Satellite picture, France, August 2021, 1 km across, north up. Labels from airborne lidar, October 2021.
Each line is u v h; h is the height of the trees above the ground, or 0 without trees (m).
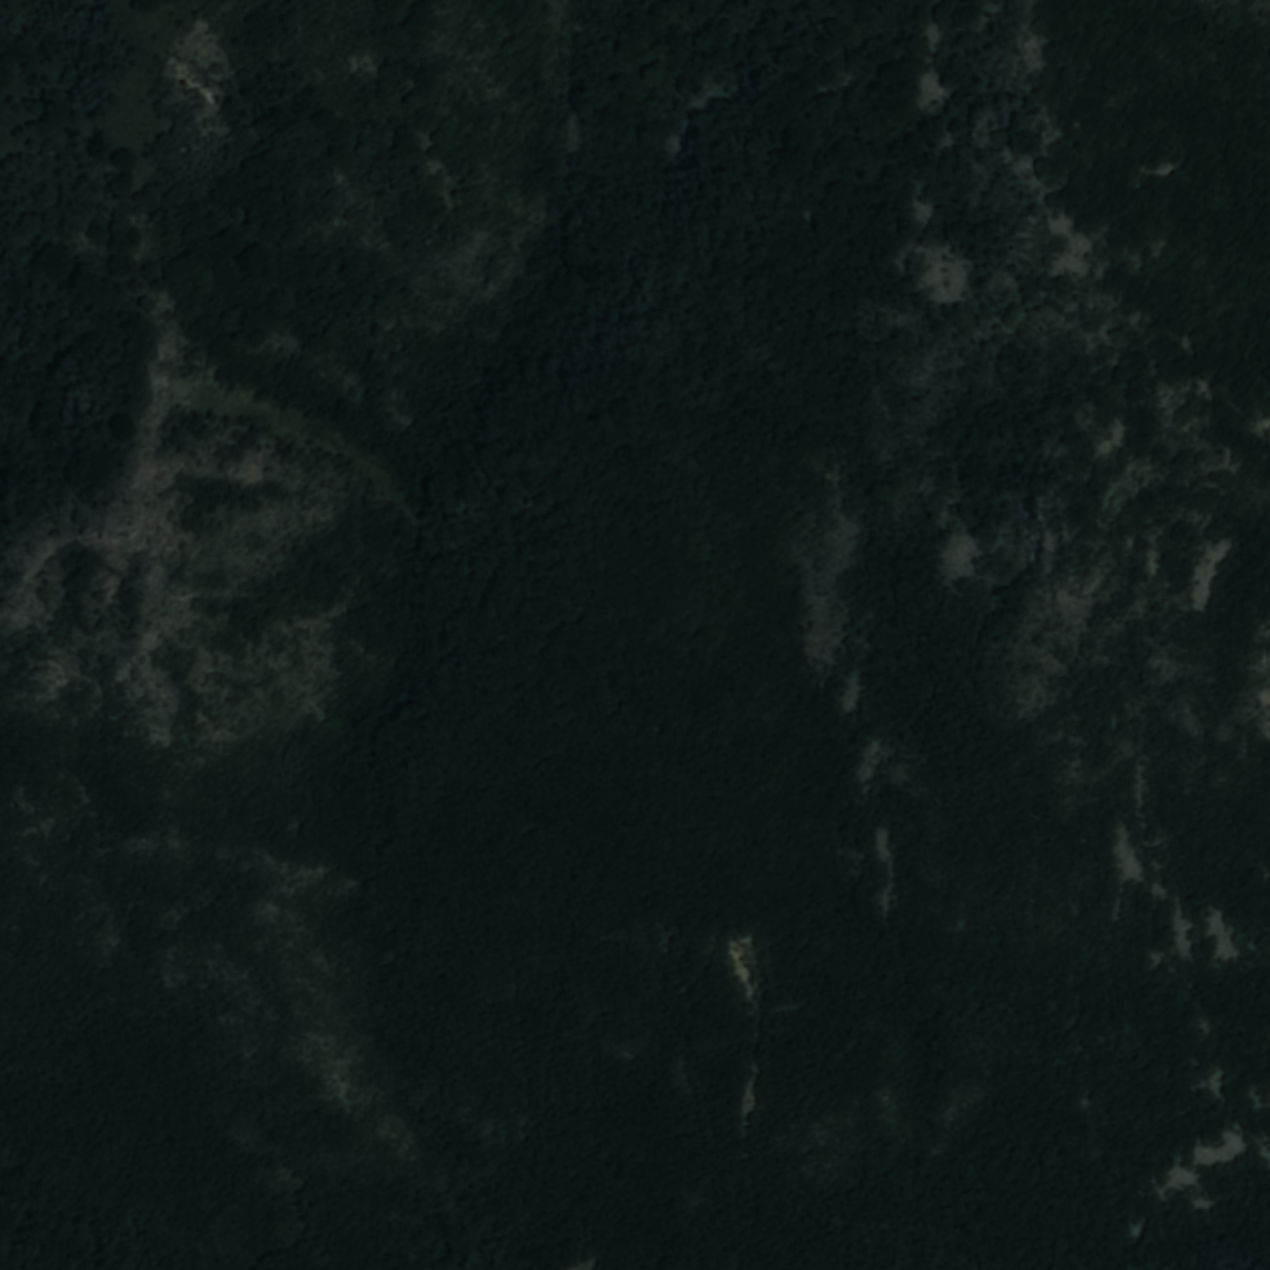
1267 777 8
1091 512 6
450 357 10
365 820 21
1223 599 13
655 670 18
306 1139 12
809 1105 7
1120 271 10
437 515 17
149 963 11
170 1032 11
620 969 11
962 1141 13
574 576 12
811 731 18
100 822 8
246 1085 5
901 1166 9
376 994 12
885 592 12
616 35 13
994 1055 11
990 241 8
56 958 9
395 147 15
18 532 7
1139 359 11
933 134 14
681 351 8
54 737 8
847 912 17
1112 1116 14
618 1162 20
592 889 15
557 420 19
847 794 8
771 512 15
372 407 24
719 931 10
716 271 14
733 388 16
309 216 10
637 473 15
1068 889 8
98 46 7
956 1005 9
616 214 20
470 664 22
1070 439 10
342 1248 19
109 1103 17
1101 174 13
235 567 7
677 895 17
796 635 14
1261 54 10
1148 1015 10
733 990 9
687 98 10
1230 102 19
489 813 18
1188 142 16
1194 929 8
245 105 6
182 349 7
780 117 20
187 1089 14
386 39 18
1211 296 8
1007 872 6
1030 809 9
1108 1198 12
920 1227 19
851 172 8
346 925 7
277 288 19
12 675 6
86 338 17
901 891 10
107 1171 16
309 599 14
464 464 20
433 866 17
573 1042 9
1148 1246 11
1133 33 12
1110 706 8
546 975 14
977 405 11
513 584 18
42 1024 16
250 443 10
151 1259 19
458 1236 24
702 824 16
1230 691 7
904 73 18
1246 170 20
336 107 8
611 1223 16
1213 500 10
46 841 7
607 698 13
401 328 7
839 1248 17
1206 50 9
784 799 18
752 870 16
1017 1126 16
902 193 12
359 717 18
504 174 10
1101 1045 10
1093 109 15
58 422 20
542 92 13
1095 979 9
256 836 12
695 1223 15
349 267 21
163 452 12
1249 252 20
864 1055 9
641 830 16
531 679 17
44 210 7
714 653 11
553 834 20
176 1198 16
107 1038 16
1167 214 16
